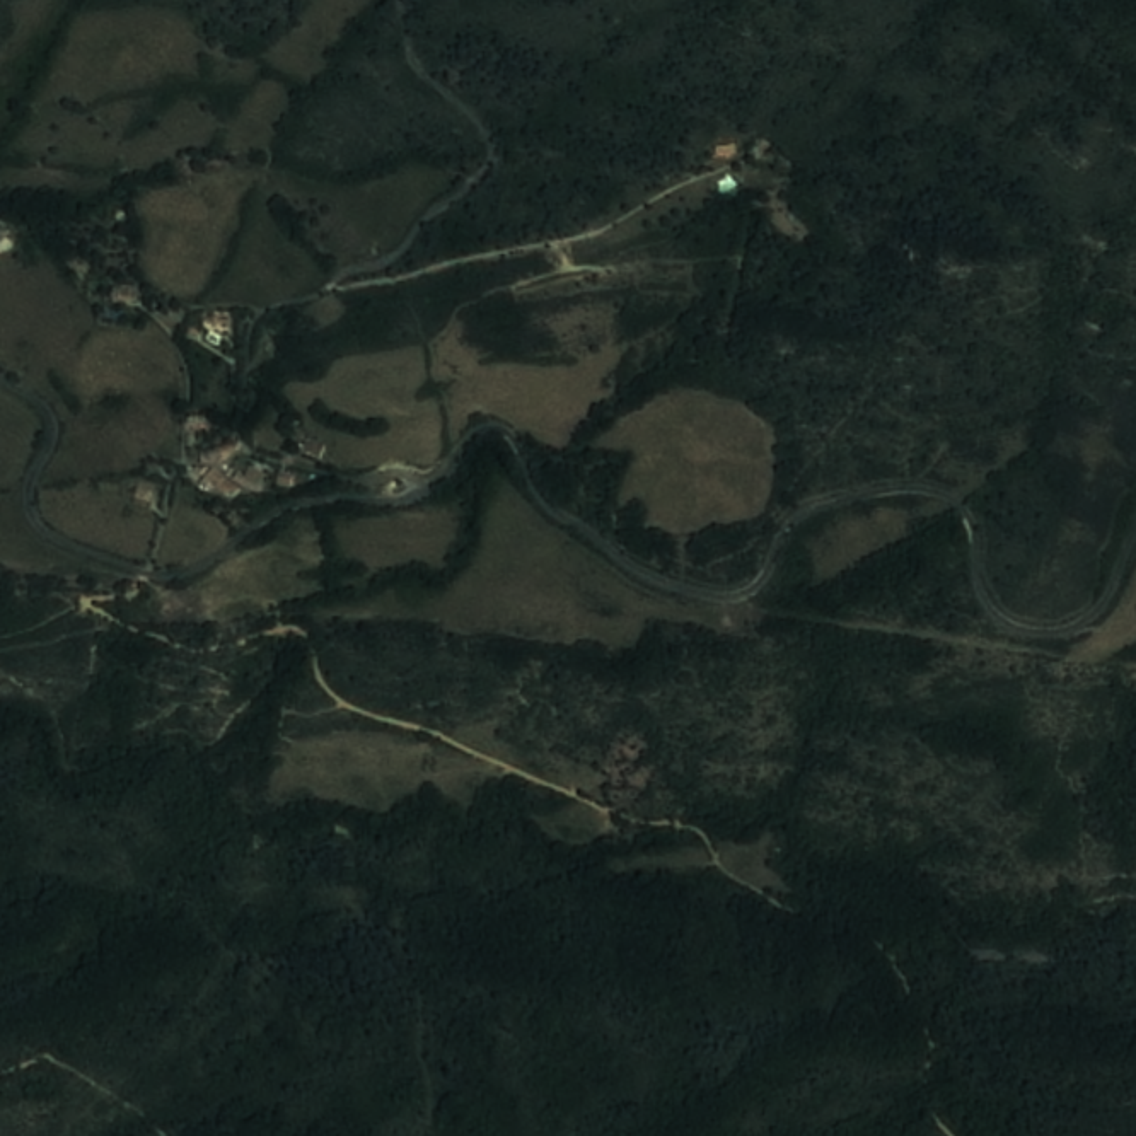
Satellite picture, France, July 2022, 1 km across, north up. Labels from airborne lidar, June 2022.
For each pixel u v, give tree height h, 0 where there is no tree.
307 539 0
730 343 9
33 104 0
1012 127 7
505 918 10
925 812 8
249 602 0
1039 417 6
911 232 6
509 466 18
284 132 12
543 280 0
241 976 11
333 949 8
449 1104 11
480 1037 10
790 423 10
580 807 0
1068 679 6
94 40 0
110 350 0
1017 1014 8
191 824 6
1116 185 0
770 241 11
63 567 0
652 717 6
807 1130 7
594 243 0
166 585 6
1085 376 8
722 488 0
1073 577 0
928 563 12
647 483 0
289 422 9
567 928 10
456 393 0
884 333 8
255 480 0
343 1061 6
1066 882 6
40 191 8
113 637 8
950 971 8
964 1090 5
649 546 8
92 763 10
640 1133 8
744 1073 12
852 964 9
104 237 8
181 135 0
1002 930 10
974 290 7
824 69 7
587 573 0
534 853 6
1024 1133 9
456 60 10
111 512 0
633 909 12
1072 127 8
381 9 12
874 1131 10
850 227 5
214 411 10
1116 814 11
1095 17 6
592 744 7
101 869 0
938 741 9
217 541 0
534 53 8
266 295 0
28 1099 12
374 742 0
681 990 12
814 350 7
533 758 0
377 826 13
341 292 9
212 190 0
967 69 8
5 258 0
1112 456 0
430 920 7
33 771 6
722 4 5
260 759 8
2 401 0
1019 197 11
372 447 0
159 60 0
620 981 8
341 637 9
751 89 7
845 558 0
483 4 0
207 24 9
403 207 0
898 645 8
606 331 0
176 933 15
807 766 10
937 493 0
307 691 0
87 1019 9
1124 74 7
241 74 0
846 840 8
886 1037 13
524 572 0
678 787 10
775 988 6
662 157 10
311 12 0
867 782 8
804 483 6
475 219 9
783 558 8
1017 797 9
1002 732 5
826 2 0
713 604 0
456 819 10
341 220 0
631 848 12
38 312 0
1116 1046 14
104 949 16
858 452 10
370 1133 7
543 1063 9
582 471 10
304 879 9
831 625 10
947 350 9
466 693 6
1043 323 9
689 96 7
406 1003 11
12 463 0
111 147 0
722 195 6
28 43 0
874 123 8
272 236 0
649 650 13
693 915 10
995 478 11
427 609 0
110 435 0
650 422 0
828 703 10
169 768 9
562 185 12
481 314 7
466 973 10
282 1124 9
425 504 7
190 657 16
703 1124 10
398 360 0
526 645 10
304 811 11
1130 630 0
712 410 0
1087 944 7
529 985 10
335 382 0
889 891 15
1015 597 0
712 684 7
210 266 0
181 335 8
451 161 16
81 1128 0
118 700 12
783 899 9
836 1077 13
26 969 8
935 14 9
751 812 9
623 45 9
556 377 0
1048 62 6
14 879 7
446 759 0
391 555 0
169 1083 0
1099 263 7
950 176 9
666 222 10
